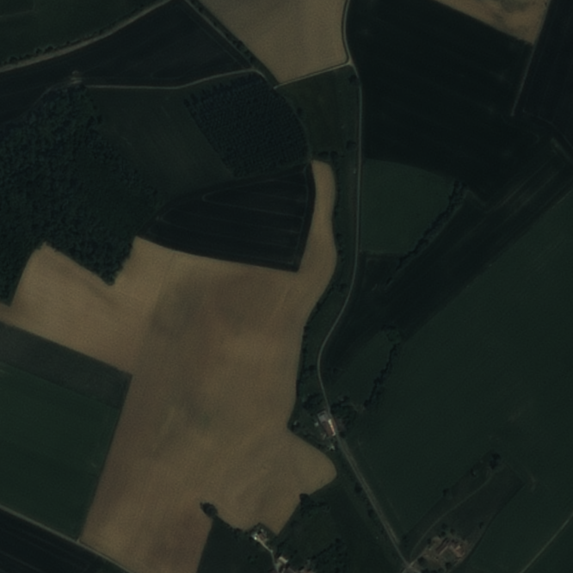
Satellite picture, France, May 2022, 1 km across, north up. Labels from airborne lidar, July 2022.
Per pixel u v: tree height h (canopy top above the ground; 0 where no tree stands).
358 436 0
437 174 0
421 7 0
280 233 0
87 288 0
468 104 0
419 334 0
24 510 0
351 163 0
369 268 0
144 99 0
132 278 0
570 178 0
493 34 0
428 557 0
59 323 0
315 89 0
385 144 0
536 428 0
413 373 0
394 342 14
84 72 0
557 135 0
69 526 0
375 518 14
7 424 0
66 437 0
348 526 0
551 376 0
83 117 20
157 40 0
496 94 0
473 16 0
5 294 9
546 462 0
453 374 0
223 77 0
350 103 0
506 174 0
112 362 0
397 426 0
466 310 0
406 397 0
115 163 10
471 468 0
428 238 16
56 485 0
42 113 17
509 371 0
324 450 9
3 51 0
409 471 0
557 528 0
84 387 0
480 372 0
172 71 0
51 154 17
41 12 0
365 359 0
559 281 0
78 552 0
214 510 12
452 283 0
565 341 0
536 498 0
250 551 0
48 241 24
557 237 0
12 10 0
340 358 0
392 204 0
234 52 0
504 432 0
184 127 0
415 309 0
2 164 28
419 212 0
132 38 0
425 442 0
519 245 0
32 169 21
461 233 0
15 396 0
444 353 0
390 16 0
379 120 0
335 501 0
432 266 0
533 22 0
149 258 0
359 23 0
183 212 0
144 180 18
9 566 0
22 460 0
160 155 0
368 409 15
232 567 0
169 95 0
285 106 30
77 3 0
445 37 0
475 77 0
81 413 0
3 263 14
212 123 33
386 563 0
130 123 0
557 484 0
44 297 0
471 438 0
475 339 0
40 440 0
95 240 14
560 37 0
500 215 0
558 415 0
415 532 0
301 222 0
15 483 0
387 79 0
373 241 0
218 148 30
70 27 0
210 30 0
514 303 0
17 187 20
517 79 0
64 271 0
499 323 0
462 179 0
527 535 0
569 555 0
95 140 22
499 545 0
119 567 0
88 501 0
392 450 0
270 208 0
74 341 0
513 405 0
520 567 0
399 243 0
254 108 32
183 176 0
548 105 0
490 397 0
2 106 0
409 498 0
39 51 9
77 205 22
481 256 0
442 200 0
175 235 0
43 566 0
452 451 0
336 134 0
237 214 0
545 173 0
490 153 0
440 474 0
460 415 0
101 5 0
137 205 11
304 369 7
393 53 0
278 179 0
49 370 0
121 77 0
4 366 0
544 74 0
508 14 0
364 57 0
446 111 0
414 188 0
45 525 0
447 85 0
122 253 15
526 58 0
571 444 0
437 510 0
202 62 0
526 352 0
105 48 0
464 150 0
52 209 28
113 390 0
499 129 0
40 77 0
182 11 0
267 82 26
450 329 0
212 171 0
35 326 0
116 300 0
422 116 0
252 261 0
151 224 0
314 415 8
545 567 0
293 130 33
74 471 0
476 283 0
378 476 0
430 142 0
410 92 0
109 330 0
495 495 0
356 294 0
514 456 0
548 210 0
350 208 0
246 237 0
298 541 0
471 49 0
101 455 0
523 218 0
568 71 0
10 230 18
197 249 0
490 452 0
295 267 0
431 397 0
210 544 0
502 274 0
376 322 0
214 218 0
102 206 14
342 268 0
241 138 33
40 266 0
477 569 0
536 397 0
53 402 0
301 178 0
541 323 0
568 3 0
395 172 0
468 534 0
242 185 0
